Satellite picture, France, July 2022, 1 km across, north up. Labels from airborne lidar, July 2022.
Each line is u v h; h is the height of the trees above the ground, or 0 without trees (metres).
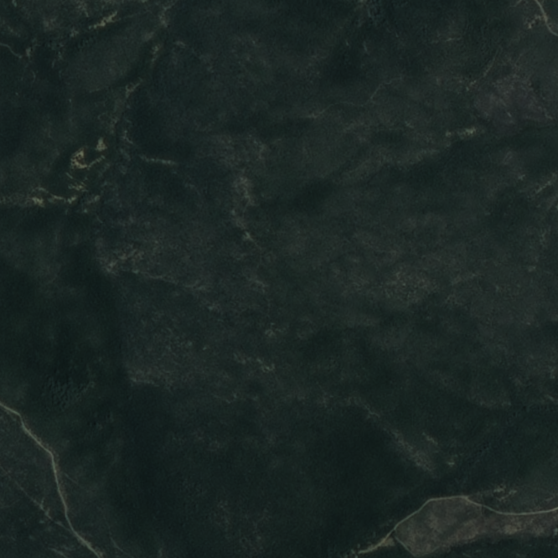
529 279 0
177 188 6
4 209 6
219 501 7
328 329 6
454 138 7
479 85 7
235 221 0
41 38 6
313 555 6
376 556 9
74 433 6
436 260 0
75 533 0
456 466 7
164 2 5
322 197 6
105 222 5
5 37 7
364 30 6
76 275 5
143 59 6
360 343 6
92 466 6
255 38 0
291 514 6
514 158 0
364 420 6
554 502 0
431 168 7
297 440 5
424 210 6
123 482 6
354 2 7
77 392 12
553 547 8
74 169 7
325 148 0
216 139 0
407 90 0
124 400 6
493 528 0
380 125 6
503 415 6
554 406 6
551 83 0
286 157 5
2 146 6
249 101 0
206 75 6
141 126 6
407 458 5
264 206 5
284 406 5
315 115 0
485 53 8
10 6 6
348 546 9
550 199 0
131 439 7
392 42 6
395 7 10
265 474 6
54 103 6
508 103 0
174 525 6
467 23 10
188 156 5
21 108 6
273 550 7
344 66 6
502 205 5
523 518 0
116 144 8
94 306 5
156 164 6
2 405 0
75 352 6
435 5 6
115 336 6
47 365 8
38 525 6
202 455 6
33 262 6
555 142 0
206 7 6
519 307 0
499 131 0
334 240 0
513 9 0
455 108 6
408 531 0
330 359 8
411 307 5
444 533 0
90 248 6
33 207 8
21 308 6
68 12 6
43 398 6
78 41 6
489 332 0
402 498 7
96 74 0
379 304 5
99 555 0
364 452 7
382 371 7
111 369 6
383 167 7
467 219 0
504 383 6
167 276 6
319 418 6
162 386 5
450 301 8
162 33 6
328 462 5
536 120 0
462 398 7
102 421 6
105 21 7
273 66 0
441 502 0
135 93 6
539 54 0
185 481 12
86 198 11
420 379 6
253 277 0
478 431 6
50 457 0
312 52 6
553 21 0
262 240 6
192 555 5
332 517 6
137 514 6
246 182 0
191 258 6
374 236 0
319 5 6
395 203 0
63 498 0
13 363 6
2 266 6
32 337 6
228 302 6
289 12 5
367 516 6
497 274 0
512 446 6
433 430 6
